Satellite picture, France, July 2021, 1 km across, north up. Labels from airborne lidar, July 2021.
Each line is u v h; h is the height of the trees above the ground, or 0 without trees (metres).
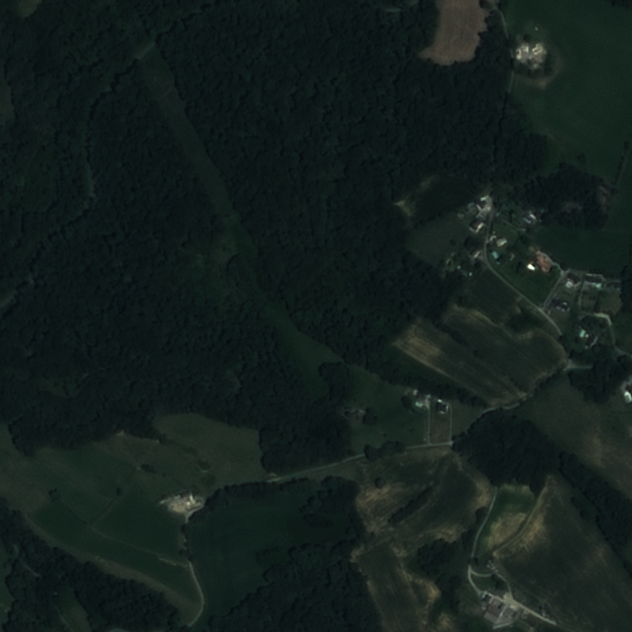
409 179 29
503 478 24
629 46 0
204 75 24
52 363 29
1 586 0
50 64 28
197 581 0
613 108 0
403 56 26
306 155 30
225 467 0
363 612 32
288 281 28
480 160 26
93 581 21
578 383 21
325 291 11
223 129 23
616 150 0
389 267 18
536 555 0
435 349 0
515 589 0
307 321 25
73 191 29
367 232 26
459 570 0
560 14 0
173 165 23
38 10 9
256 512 0
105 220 25
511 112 15
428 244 0
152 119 27
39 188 8
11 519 28
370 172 29
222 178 8
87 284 28
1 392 26
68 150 26
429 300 27
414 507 14
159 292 31
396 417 0
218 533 0
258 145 27
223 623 17
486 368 0
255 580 0
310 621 30
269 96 29
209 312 23
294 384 26
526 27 0
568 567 0
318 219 29
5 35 21
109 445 0
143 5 22
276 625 24
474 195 0
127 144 21
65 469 0
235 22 23
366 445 0
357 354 27
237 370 29
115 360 20
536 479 20
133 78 24
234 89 30
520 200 9
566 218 24
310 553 28
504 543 0
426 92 26
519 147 21
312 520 13
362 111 31
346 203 35
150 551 0
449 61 0
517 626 0
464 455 19
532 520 0
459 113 20
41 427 24
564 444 0
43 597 15
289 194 25
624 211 0
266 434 24
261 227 24
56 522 0
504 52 15
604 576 0
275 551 6
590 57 0
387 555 0
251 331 24
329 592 32
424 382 17
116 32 29
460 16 0
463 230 0
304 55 28
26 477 0
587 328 7
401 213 22
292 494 21
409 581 0
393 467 0
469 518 0
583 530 0
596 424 0
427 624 0
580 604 0
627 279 23
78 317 29
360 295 10
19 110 14
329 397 8
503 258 12
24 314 28
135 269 31
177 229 29
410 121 27
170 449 0
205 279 7
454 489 0
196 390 29
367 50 21
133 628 12
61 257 24
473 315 0
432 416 0
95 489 0
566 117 0
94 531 0
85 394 17
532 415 0
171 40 26
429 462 0
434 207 0
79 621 0
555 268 9
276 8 30
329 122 38
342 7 29
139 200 25
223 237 16
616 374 24
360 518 16
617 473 0
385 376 19
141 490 0
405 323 7
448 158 29
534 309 0
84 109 27
